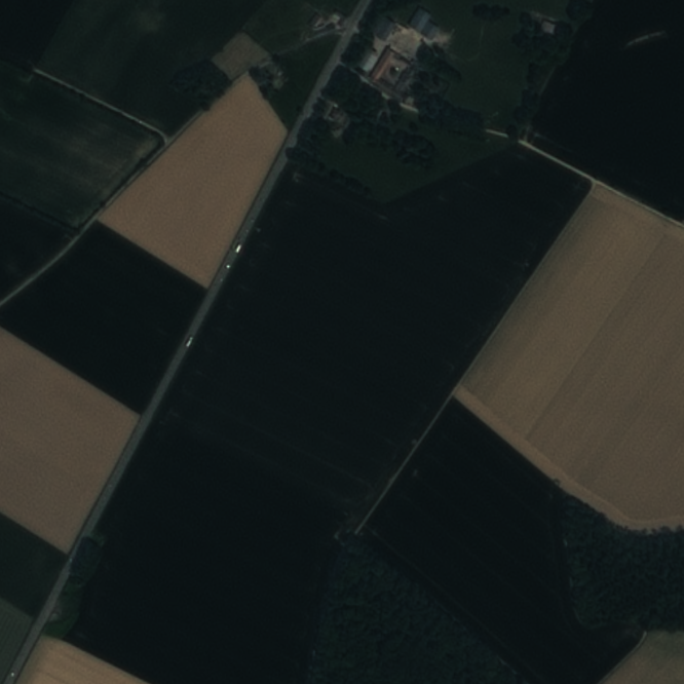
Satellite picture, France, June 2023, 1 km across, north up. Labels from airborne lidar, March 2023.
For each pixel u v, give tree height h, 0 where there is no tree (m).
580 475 0
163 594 0
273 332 0
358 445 0
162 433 0
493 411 0
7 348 0
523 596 0
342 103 16
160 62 0
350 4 0
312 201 0
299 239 0
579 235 0
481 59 0
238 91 0
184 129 0
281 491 0
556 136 0
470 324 0
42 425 0
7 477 0
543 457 0
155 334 0
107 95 0
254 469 0
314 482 0
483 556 0
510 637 0
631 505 0
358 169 0
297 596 0
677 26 0
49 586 0
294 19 0
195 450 0
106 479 0
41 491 0
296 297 0
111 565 0
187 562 0
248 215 0
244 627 0
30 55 0
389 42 0
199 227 0
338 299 0
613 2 0
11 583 0
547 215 0
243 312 0
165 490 0
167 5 0
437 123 21
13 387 0
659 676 0
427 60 20
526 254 0
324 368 0
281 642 0
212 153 0
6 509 0
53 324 0
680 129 0
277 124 0
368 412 0
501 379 0
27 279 0
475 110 0
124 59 0
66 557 0
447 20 0
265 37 0
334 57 0
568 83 0
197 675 0
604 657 0
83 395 0
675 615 24
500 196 0
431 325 0
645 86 0
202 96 8
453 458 0
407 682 30
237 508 0
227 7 0
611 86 0
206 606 0
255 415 0
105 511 0
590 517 19
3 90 0
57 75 0
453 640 28
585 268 0
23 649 0
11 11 0
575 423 0
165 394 0
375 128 22
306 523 0
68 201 0
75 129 0
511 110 0
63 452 0
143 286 0
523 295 0
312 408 0
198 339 0
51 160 0
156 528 0
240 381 0
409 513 0
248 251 0
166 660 0
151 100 0
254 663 0
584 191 0
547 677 0
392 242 0
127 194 0
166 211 0
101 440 0
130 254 0
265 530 0
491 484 0
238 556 0
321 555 0
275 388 0
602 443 0
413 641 36
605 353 0
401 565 0
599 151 0
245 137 0
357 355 0
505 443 0
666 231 0
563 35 19
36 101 0
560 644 0
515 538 0
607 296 0
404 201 0
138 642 0
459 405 0
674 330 0
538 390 0
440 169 0
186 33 0
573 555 20
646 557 24
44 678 0
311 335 0
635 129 0
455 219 0
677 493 0
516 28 0
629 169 0
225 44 0
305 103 0
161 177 0
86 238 0
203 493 0
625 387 0
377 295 0
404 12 0
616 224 0
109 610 0
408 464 0
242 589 0
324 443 0
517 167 0
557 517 0
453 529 0
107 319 0
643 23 0
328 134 19
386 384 0
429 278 0
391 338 0
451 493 0
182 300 0
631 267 0
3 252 0
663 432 0
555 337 0
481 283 0
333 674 24
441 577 0
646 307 0
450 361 0
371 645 30
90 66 0
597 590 21
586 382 0
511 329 0
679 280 0
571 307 0
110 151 0
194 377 0
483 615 0
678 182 0
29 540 0
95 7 0
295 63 0
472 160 0
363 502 0
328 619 22
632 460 0
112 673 0
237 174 0
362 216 0
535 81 10
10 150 0
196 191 0
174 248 0
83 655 0
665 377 0
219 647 0
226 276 0
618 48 0
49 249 0
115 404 0
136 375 0
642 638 0
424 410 0
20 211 0
